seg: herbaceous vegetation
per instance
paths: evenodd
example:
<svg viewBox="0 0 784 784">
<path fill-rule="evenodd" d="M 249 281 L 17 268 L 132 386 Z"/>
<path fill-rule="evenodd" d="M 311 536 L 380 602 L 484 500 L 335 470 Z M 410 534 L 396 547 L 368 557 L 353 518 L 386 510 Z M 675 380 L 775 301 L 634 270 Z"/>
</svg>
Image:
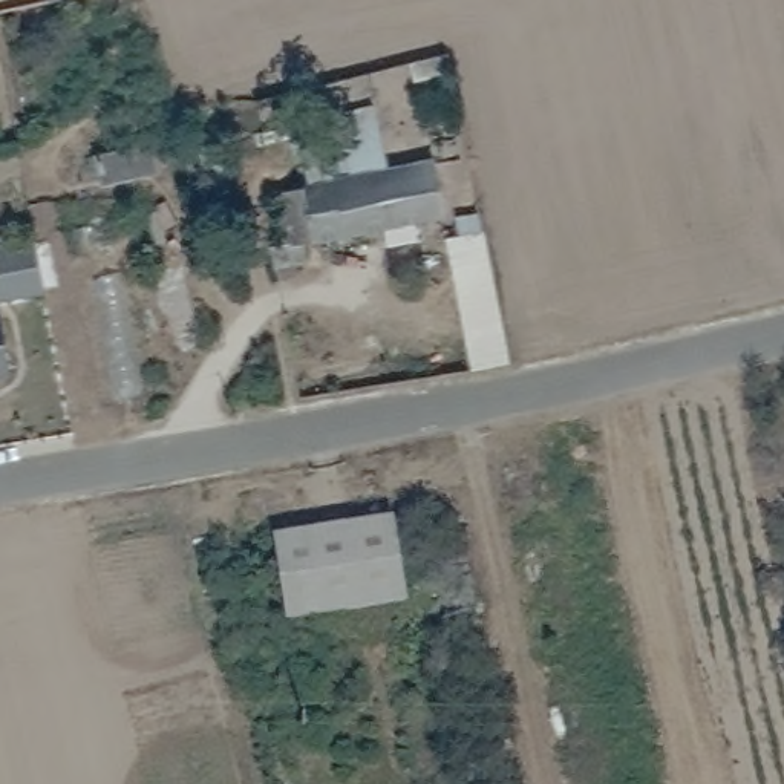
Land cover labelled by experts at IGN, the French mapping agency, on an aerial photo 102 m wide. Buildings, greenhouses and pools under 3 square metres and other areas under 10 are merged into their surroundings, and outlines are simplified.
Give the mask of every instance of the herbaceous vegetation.
<svg viewBox="0 0 784 784">
<path fill-rule="evenodd" d="M 784 456 L 750 456 L 756 499 L 778 499 L 778 493 L 784 490 Z"/>
<path fill-rule="evenodd" d="M 263 331 L 273 334 L 276 343 L 285 401 L 276 407 L 230 407 L 224 401 L 227 417 L 221 426 L 266 423 L 279 417 L 380 398 L 429 395 L 435 389 L 475 386 L 499 377 L 527 374 L 524 364 L 515 364 L 508 358 L 502 368 L 487 371 L 475 371 L 466 361 L 462 319 L 447 257 L 447 239 L 456 239 L 453 224 L 444 224 L 444 230 L 429 233 L 420 245 L 392 248 L 386 251 L 386 276 L 364 288 L 368 300 L 358 309 L 279 309 L 279 315 L 273 315 L 263 325 Z M 432 270 L 441 279 L 441 285 L 429 285 L 420 300 L 398 300 L 389 285 L 389 276 L 398 279 L 423 260 L 426 270 Z"/>
<path fill-rule="evenodd" d="M 282 193 L 300 190 L 300 184 L 306 181 L 303 175 L 294 172 L 300 147 L 288 135 L 276 132 L 279 126 L 273 107 L 263 107 L 263 101 L 251 101 L 251 92 L 202 95 L 187 92 L 184 86 L 178 89 L 168 101 L 181 110 L 199 107 L 208 116 L 205 135 L 245 135 L 248 144 L 239 181 L 221 178 L 217 184 L 199 187 L 193 196 L 181 202 L 175 172 L 165 159 L 138 150 L 92 156 L 89 144 L 98 138 L 95 119 L 77 119 L 52 132 L 49 141 L 43 141 L 37 150 L 0 159 L 0 187 L 12 199 L 9 205 L 18 211 L 31 211 L 34 221 L 37 245 L 52 248 L 52 263 L 58 276 L 55 288 L 46 288 L 37 300 L 18 297 L 28 377 L 12 398 L 0 401 L 0 450 L 18 441 L 52 438 L 67 432 L 74 435 L 70 450 L 129 447 L 144 441 L 141 432 L 153 420 L 144 420 L 144 401 L 150 392 L 165 392 L 175 401 L 187 392 L 208 352 L 193 340 L 193 312 L 205 303 L 217 309 L 221 331 L 242 312 L 245 303 L 236 303 L 214 279 L 199 279 L 196 273 L 190 273 L 181 245 L 184 211 L 202 217 L 211 205 L 224 205 L 233 211 L 254 214 L 257 257 L 248 276 L 251 297 L 270 294 L 276 282 L 319 282 L 346 260 L 364 263 L 361 248 L 377 242 L 371 236 L 355 236 L 343 248 L 325 242 L 319 251 L 309 248 L 309 242 L 285 245 Z M 113 199 L 116 187 L 147 187 L 156 196 L 162 196 L 162 205 L 150 217 L 150 236 L 165 257 L 165 273 L 156 288 L 126 282 L 132 276 L 132 263 L 126 260 L 129 242 L 104 242 L 98 233 L 101 217 L 89 217 L 89 227 L 80 230 L 83 248 L 77 257 L 64 251 L 55 205 L 107 202 Z M 107 276 L 123 279 L 126 306 L 132 315 L 132 331 L 126 340 L 132 343 L 132 358 L 141 364 L 141 395 L 123 401 L 116 401 L 119 386 L 110 377 L 110 315 L 101 282 Z"/>
<path fill-rule="evenodd" d="M 456 205 L 453 211 L 459 217 L 478 217 L 481 233 L 487 239 L 487 257 L 499 303 L 502 297 L 508 297 L 502 236 L 484 211 L 484 181 L 478 172 L 472 172 L 472 205 Z"/>
<path fill-rule="evenodd" d="M 432 165 L 438 168 L 441 162 L 475 159 L 475 138 L 462 126 L 456 135 L 444 123 L 429 123 L 426 129 L 420 129 L 413 116 L 410 98 L 438 89 L 438 70 L 438 61 L 426 58 L 417 64 L 340 80 L 334 83 L 334 89 L 340 95 L 349 95 L 355 110 L 371 107 L 377 113 L 380 141 L 392 165 L 432 159 Z"/>
<path fill-rule="evenodd" d="M 389 689 L 401 677 L 392 662 L 386 662 L 386 646 L 368 646 L 361 658 L 371 680 L 368 714 L 374 714 L 380 723 L 380 741 L 395 741 L 395 711 L 389 704 Z"/>
<path fill-rule="evenodd" d="M 3 21 L 21 25 L 25 12 L 52 6 L 55 0 L 0 0 L 0 126 L 9 129 L 15 123 L 15 113 L 25 104 L 31 104 L 25 98 L 25 89 L 9 86 L 9 49 L 3 40 Z"/>
<path fill-rule="evenodd" d="M 756 606 L 766 606 L 766 597 L 781 600 L 778 631 L 784 634 L 784 579 L 753 579 Z"/>
<path fill-rule="evenodd" d="M 518 753 L 524 784 L 573 784 L 560 772 L 554 750 L 560 735 L 551 729 L 554 707 L 548 704 L 548 665 L 533 662 L 530 655 L 530 637 L 536 634 L 524 625 L 521 609 L 533 594 L 542 564 L 533 548 L 527 551 L 511 542 L 511 527 L 524 521 L 530 511 L 539 511 L 542 502 L 542 435 L 548 429 L 542 429 L 539 423 L 515 423 L 490 441 L 484 441 L 490 481 L 475 490 L 469 487 L 466 462 L 456 453 L 456 435 L 429 435 L 404 444 L 343 453 L 346 466 L 337 466 L 343 478 L 343 493 L 349 499 L 386 496 L 389 502 L 383 515 L 395 515 L 426 499 L 429 490 L 444 493 L 456 505 L 459 521 L 469 527 L 469 551 L 459 557 L 447 557 L 435 582 L 438 600 L 444 606 L 459 606 L 475 613 L 475 625 L 487 628 L 490 646 L 496 646 L 502 655 L 502 671 L 515 680 L 518 735 L 505 738 L 505 750 Z"/>
</svg>

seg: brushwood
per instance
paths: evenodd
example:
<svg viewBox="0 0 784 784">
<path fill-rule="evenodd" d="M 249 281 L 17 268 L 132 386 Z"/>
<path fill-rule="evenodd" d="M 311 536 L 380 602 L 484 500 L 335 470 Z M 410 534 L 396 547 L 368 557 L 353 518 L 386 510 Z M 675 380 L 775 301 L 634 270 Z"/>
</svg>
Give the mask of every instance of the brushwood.
<svg viewBox="0 0 784 784">
<path fill-rule="evenodd" d="M 723 665 L 732 662 L 756 784 L 784 784 L 784 763 L 775 720 L 769 711 L 766 680 L 775 677 L 784 714 L 784 634 L 778 631 L 781 600 L 766 597 L 766 606 L 756 606 L 753 579 L 750 557 L 760 554 L 766 564 L 772 560 L 756 499 L 750 456 L 750 413 L 741 401 L 729 413 L 726 407 L 695 407 L 689 413 L 680 410 L 680 417 L 671 423 L 668 413 L 658 410 L 658 426 L 707 652 L 717 655 Z"/>
<path fill-rule="evenodd" d="M 616 573 L 619 557 L 609 527 L 609 505 L 603 490 L 594 484 L 597 466 L 573 459 L 573 447 L 597 444 L 600 432 L 579 420 L 554 423 L 548 429 L 542 435 L 542 502 L 539 511 L 530 511 L 524 521 L 511 527 L 511 542 L 527 551 L 533 548 L 542 564 L 533 594 L 521 609 L 524 625 L 536 634 L 530 637 L 530 655 L 533 662 L 548 665 L 548 704 L 554 707 L 551 729 L 560 735 L 554 750 L 560 772 L 573 784 L 665 784 L 665 747 L 658 744 L 658 720 L 649 707 L 646 674 L 637 658 L 631 600 L 625 597 Z"/>
<path fill-rule="evenodd" d="M 438 600 L 435 582 L 404 582 L 404 600 L 361 609 L 328 609 L 309 616 L 334 640 L 346 640 L 346 646 L 334 652 L 340 665 L 361 658 L 368 646 L 386 646 L 386 662 L 392 662 L 401 677 L 389 689 L 389 704 L 395 711 L 395 741 L 380 741 L 380 753 L 374 760 L 364 760 L 349 778 L 337 778 L 337 772 L 331 769 L 331 753 L 303 750 L 297 756 L 297 769 L 285 769 L 273 766 L 273 760 L 266 756 L 266 744 L 257 741 L 257 735 L 251 735 L 254 763 L 260 769 L 263 784 L 447 784 L 426 741 L 429 704 L 423 695 L 413 695 L 410 677 L 417 674 L 423 631 L 453 622 L 459 606 L 444 606 Z"/>
</svg>

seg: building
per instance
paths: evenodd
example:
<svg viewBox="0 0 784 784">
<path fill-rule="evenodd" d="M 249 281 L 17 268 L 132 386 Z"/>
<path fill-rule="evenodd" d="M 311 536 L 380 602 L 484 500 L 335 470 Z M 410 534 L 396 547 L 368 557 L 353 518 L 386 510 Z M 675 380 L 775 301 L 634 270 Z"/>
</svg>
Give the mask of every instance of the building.
<svg viewBox="0 0 784 784">
<path fill-rule="evenodd" d="M 15 368 L 6 368 L 0 346 L 0 383 L 9 383 L 15 377 Z"/>
<path fill-rule="evenodd" d="M 404 600 L 404 582 L 395 515 L 383 515 L 276 530 L 285 613 L 309 616 L 328 609 L 361 609 Z"/>
<path fill-rule="evenodd" d="M 0 236 L 0 303 L 18 297 L 37 300 L 46 288 L 40 282 L 37 254 L 6 257 L 6 236 Z"/>
<path fill-rule="evenodd" d="M 453 224 L 456 239 L 447 239 L 447 257 L 462 319 L 466 361 L 475 371 L 487 371 L 502 368 L 508 358 L 499 303 L 487 257 L 487 239 L 481 233 L 478 217 L 459 217 L 453 211 L 456 205 L 472 205 L 472 172 L 478 172 L 475 159 L 441 162 L 438 168 L 432 165 L 432 159 L 392 165 L 380 141 L 377 113 L 371 107 L 355 110 L 355 113 L 358 147 L 337 165 L 315 165 L 303 175 L 306 181 L 300 184 L 300 190 L 282 193 L 285 245 L 309 242 L 309 248 L 319 251 L 325 242 L 343 248 L 355 236 L 371 236 L 377 242 L 386 239 L 386 245 L 392 248 L 420 245 L 429 233 L 444 230 L 444 224 Z"/>
</svg>

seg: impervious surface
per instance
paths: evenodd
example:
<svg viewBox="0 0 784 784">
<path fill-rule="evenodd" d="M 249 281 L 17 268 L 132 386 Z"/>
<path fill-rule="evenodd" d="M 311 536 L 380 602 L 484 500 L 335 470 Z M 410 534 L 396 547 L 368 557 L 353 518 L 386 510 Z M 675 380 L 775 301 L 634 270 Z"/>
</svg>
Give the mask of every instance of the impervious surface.
<svg viewBox="0 0 784 784">
<path fill-rule="evenodd" d="M 459 426 L 487 417 L 557 407 L 668 377 L 701 374 L 720 364 L 741 364 L 744 355 L 760 355 L 763 364 L 784 364 L 784 315 L 527 374 L 499 377 L 475 386 L 435 389 L 429 395 L 380 398 L 279 417 L 266 423 L 221 426 L 144 441 L 129 447 L 70 450 L 74 435 L 67 432 L 52 438 L 18 441 L 0 450 L 0 502 L 70 493 L 113 481 L 119 484 L 119 490 L 196 484 L 214 475 L 233 475 L 230 466 L 248 472 L 263 466 L 288 466 L 334 459 L 343 453 L 404 444 L 429 435 L 456 435 Z"/>
<path fill-rule="evenodd" d="M 37 245 L 37 254 L 40 282 L 46 288 L 55 288 L 58 276 L 52 263 L 52 248 Z"/>
</svg>

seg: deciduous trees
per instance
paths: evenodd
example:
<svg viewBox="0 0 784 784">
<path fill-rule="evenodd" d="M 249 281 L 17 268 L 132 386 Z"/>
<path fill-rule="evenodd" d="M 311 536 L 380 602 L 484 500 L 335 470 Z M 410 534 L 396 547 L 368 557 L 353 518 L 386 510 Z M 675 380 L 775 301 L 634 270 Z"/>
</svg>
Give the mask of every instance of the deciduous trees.
<svg viewBox="0 0 784 784">
<path fill-rule="evenodd" d="M 273 107 L 279 126 L 276 132 L 288 135 L 300 147 L 294 172 L 303 175 L 315 165 L 337 165 L 358 147 L 355 113 L 334 110 L 319 95 L 288 95 L 282 107 Z"/>
<path fill-rule="evenodd" d="M 417 674 L 410 677 L 413 695 L 423 695 L 429 704 L 426 741 L 447 784 L 524 784 L 518 753 L 505 750 L 505 738 L 518 735 L 515 680 L 502 671 L 502 655 L 496 646 L 490 646 L 487 628 L 475 625 L 475 613 L 459 606 L 453 622 L 423 631 Z"/>
<path fill-rule="evenodd" d="M 178 89 L 172 83 L 168 67 L 162 64 L 159 34 L 138 15 L 144 9 L 144 0 L 55 0 L 52 6 L 25 12 L 21 25 L 3 21 L 3 40 L 9 49 L 9 86 L 25 89 L 25 98 L 31 104 L 25 104 L 15 113 L 15 123 L 9 129 L 0 126 L 0 159 L 37 150 L 43 141 L 49 141 L 52 132 L 77 119 L 95 119 L 98 138 L 89 144 L 92 156 L 138 150 L 165 159 L 175 172 L 181 202 L 193 196 L 199 187 L 217 184 L 221 178 L 239 181 L 248 144 L 245 135 L 205 135 L 208 116 L 199 107 L 181 110 L 168 101 Z"/>
<path fill-rule="evenodd" d="M 184 211 L 181 245 L 190 273 L 196 273 L 199 279 L 214 279 L 236 303 L 245 303 L 251 297 L 248 276 L 257 257 L 254 214 L 233 211 L 224 205 L 211 205 L 202 217 Z"/>
<path fill-rule="evenodd" d="M 741 401 L 750 413 L 750 456 L 784 456 L 784 364 L 763 364 L 760 355 L 744 355 L 741 364 Z"/>
<path fill-rule="evenodd" d="M 420 129 L 426 129 L 429 123 L 444 123 L 456 135 L 462 126 L 459 70 L 438 70 L 438 89 L 410 98 L 413 116 Z"/>
<path fill-rule="evenodd" d="M 340 665 L 334 652 L 346 646 L 346 640 L 334 640 L 309 616 L 285 613 L 276 530 L 266 521 L 260 521 L 257 527 L 236 518 L 230 524 L 211 524 L 202 542 L 196 545 L 199 582 L 208 588 L 208 600 L 214 606 L 208 649 L 217 671 L 224 674 L 230 701 L 251 723 L 251 735 L 257 735 L 257 741 L 266 744 L 266 756 L 273 760 L 273 766 L 285 769 L 297 769 L 297 756 L 303 750 L 331 753 L 331 769 L 337 772 L 337 778 L 349 778 L 364 760 L 374 760 L 380 753 L 380 741 L 380 723 L 374 714 L 368 714 L 371 680 L 361 658 Z"/>
<path fill-rule="evenodd" d="M 98 233 L 104 242 L 129 242 L 126 260 L 132 263 L 132 276 L 126 282 L 156 288 L 165 273 L 165 257 L 150 236 L 150 217 L 162 205 L 162 196 L 156 196 L 147 187 L 116 187 L 113 199 L 107 202 L 55 205 L 64 251 L 77 257 L 83 248 L 80 230 L 89 227 L 89 217 L 101 217 Z"/>
<path fill-rule="evenodd" d="M 426 270 L 423 260 L 398 279 L 389 276 L 389 285 L 398 300 L 420 300 L 429 285 L 441 285 L 441 279 L 432 270 Z"/>
<path fill-rule="evenodd" d="M 37 245 L 34 221 L 9 224 L 6 236 L 6 257 L 37 254 Z"/>
<path fill-rule="evenodd" d="M 429 490 L 426 499 L 395 515 L 404 582 L 435 582 L 447 557 L 459 557 L 469 551 L 469 527 L 459 521 L 456 505 L 444 493 Z"/>
<path fill-rule="evenodd" d="M 784 579 L 784 490 L 778 493 L 778 499 L 756 499 L 772 560 L 766 564 L 760 554 L 750 557 L 753 579 Z"/>
<path fill-rule="evenodd" d="M 217 309 L 205 303 L 193 312 L 193 340 L 208 352 L 221 340 L 221 331 Z"/>
<path fill-rule="evenodd" d="M 251 337 L 239 368 L 224 383 L 224 401 L 230 407 L 276 407 L 285 401 L 276 343 L 273 334 L 263 331 Z"/>
<path fill-rule="evenodd" d="M 144 420 L 153 420 L 162 420 L 175 401 L 165 392 L 150 392 L 144 401 Z"/>
</svg>

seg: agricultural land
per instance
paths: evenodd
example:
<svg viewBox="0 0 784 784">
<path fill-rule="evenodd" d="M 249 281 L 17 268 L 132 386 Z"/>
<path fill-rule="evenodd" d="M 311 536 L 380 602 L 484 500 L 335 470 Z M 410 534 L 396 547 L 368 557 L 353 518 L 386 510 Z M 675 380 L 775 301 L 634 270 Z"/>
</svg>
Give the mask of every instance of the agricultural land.
<svg viewBox="0 0 784 784">
<path fill-rule="evenodd" d="M 0 187 L 0 236 L 6 236 L 9 224 L 34 221 L 31 211 L 18 211 L 9 205 L 12 199 Z"/>
<path fill-rule="evenodd" d="M 214 606 L 208 600 L 208 588 L 199 582 L 196 545 L 202 542 L 211 524 L 230 524 L 236 518 L 257 527 L 260 521 L 266 521 L 279 511 L 315 508 L 303 490 L 312 472 L 291 472 L 288 466 L 263 466 L 248 472 L 230 466 L 233 475 L 214 475 L 196 484 L 119 490 L 119 484 L 113 481 L 70 493 L 0 502 L 0 784 L 263 784 L 260 769 L 254 763 L 251 735 L 251 723 L 230 701 L 224 674 L 217 671 L 208 649 Z"/>
<path fill-rule="evenodd" d="M 680 410 L 689 413 L 695 407 L 726 407 L 729 413 L 741 401 L 741 364 L 720 364 L 701 374 L 668 377 L 557 407 L 487 417 L 459 426 L 456 435 L 456 453 L 466 462 L 469 487 L 475 490 L 490 481 L 484 441 L 490 441 L 515 423 L 539 423 L 542 429 L 548 429 L 554 423 L 579 420 L 600 432 L 597 444 L 573 447 L 573 459 L 597 466 L 594 484 L 603 490 L 609 505 L 609 527 L 619 557 L 616 573 L 625 597 L 631 600 L 637 658 L 646 674 L 649 707 L 658 720 L 658 744 L 665 747 L 665 784 L 756 784 L 732 662 L 723 665 L 717 655 L 707 652 L 658 426 L 658 410 L 668 413 L 671 423 L 680 417 Z"/>
<path fill-rule="evenodd" d="M 251 101 L 263 101 L 263 107 L 273 107 L 282 107 L 288 95 L 319 95 L 334 110 L 355 113 L 355 110 L 349 95 L 340 95 L 334 89 L 334 83 L 340 80 L 417 64 L 426 58 L 438 61 L 438 70 L 459 70 L 462 126 L 475 138 L 475 159 L 478 172 L 484 181 L 484 211 L 502 236 L 508 297 L 502 297 L 499 303 L 508 358 L 515 364 L 524 364 L 527 374 L 784 315 L 784 0 L 144 0 L 144 9 L 138 15 L 159 34 L 162 64 L 168 67 L 172 83 L 178 89 L 184 86 L 187 92 L 202 95 L 251 92 Z"/>
<path fill-rule="evenodd" d="M 766 680 L 769 711 L 775 720 L 784 763 L 784 714 L 775 677 Z"/>
</svg>

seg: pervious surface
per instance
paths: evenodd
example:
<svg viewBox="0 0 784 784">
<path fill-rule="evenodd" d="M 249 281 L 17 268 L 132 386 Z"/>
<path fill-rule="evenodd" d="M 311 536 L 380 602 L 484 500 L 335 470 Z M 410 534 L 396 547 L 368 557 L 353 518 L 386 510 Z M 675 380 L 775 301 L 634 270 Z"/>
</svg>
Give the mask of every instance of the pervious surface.
<svg viewBox="0 0 784 784">
<path fill-rule="evenodd" d="M 386 239 L 377 242 L 361 248 L 364 263 L 346 260 L 319 282 L 276 282 L 270 294 L 251 297 L 245 303 L 242 312 L 221 331 L 221 340 L 208 352 L 187 392 L 175 401 L 162 420 L 153 420 L 141 432 L 144 441 L 221 426 L 227 417 L 224 401 L 224 383 L 239 368 L 251 337 L 263 331 L 263 325 L 273 315 L 279 315 L 279 309 L 358 309 L 368 300 L 364 288 L 386 276 L 386 251 L 392 248 L 386 245 Z"/>
<path fill-rule="evenodd" d="M 0 383 L 0 401 L 12 398 L 28 377 L 18 297 L 0 303 L 0 346 L 6 368 L 15 368 L 15 377 L 9 383 Z"/>
<path fill-rule="evenodd" d="M 383 515 L 389 502 L 386 496 L 349 499 L 343 493 L 343 478 L 337 466 L 346 466 L 343 453 L 334 459 L 288 466 L 291 472 L 312 472 L 303 490 L 315 508 L 279 511 L 266 521 L 276 530 Z"/>
</svg>

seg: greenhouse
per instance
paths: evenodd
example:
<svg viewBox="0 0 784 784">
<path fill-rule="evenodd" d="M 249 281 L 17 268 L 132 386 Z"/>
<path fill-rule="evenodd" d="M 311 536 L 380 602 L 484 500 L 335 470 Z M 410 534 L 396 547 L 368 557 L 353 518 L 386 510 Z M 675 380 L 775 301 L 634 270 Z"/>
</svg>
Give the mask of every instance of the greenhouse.
<svg viewBox="0 0 784 784">
<path fill-rule="evenodd" d="M 110 315 L 110 377 L 119 386 L 116 401 L 123 401 L 141 395 L 141 364 L 132 358 L 132 343 L 126 340 L 132 331 L 132 315 L 126 306 L 123 279 L 107 276 L 101 282 Z"/>
</svg>

